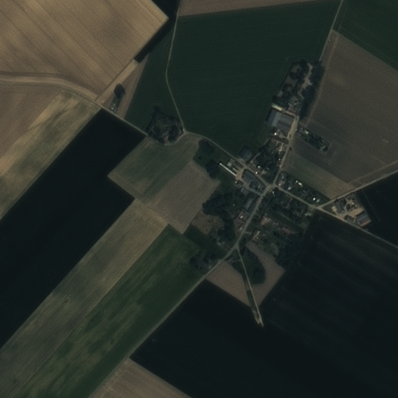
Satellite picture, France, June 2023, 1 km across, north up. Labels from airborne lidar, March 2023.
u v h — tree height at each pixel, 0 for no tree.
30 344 0
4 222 0
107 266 0
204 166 0
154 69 0
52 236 0
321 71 22
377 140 0
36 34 0
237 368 0
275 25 0
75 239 0
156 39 0
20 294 0
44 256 0
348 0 0
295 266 0
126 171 0
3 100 0
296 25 0
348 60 0
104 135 0
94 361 0
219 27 0
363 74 0
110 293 0
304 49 0
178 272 0
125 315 0
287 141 0
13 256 0
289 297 0
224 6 0
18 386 0
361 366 0
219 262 0
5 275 0
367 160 0
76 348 0
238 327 0
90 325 0
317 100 0
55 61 0
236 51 0
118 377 0
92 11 0
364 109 0
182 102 0
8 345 0
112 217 0
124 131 0
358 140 0
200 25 0
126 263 0
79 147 0
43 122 0
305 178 0
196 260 9
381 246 0
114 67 0
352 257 0
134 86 0
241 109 0
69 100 0
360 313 0
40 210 0
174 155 0
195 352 0
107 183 0
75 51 0
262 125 0
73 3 0
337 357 0
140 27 0
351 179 0
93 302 0
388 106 0
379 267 0
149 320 0
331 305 0
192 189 0
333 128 0
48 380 0
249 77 0
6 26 0
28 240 0
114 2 0
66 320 0
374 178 0
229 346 0
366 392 0
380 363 0
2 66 0
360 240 0
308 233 0
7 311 0
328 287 0
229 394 0
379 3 0
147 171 0
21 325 0
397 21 0
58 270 0
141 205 0
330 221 0
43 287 0
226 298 0
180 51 0
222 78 0
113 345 0
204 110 0
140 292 0
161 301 0
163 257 0
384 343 0
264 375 0
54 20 0
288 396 0
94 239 0
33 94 0
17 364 0
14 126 0
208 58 0
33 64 0
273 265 0
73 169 0
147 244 0
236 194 5
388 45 0
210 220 0
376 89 0
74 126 0
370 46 0
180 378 0
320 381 0
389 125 0
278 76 0
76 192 0
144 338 0
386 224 0
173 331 0
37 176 0
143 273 0
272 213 0
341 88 0
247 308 0
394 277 0
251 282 0
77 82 0
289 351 0
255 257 14
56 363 0
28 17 0
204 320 0
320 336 0
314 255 0
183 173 0
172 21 0
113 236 0
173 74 0
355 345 0
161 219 0
